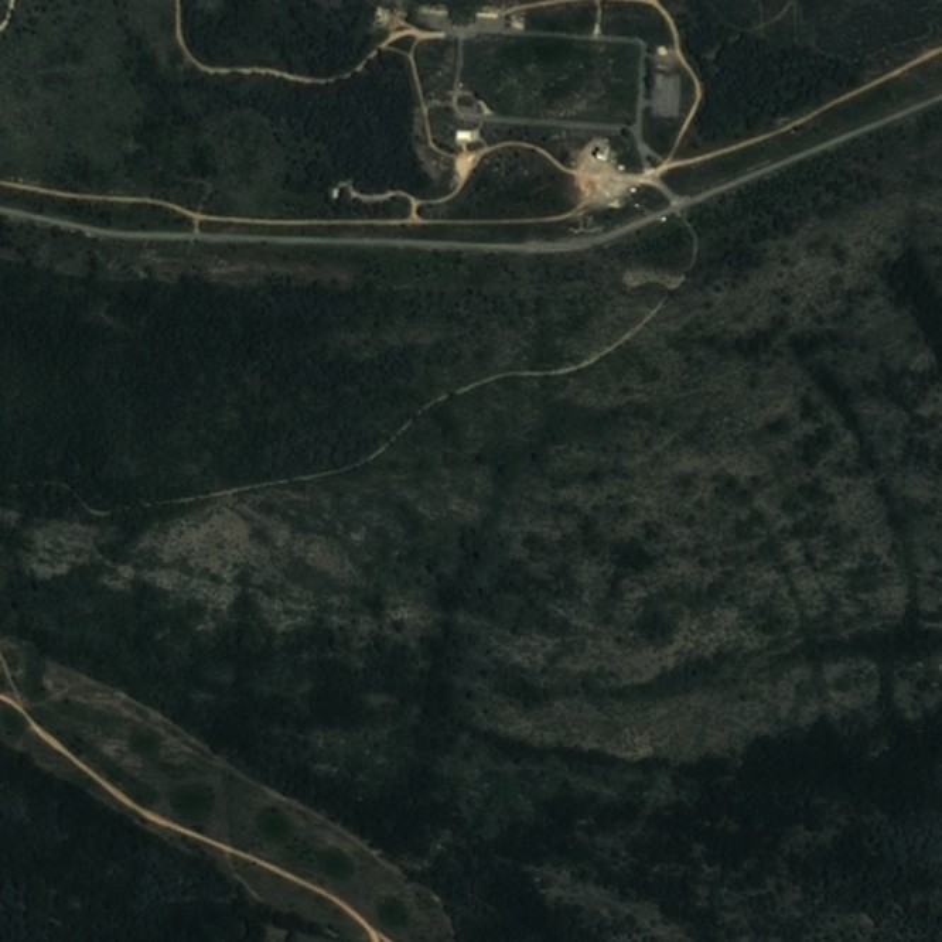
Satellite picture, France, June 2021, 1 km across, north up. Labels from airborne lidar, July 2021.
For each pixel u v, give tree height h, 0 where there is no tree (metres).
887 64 0
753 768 12
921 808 11
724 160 0
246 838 0
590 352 0
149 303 9
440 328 0
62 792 11
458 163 0
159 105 8
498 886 13
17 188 0
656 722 0
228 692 9
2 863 12
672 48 0
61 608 6
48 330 10
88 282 8
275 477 7
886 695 7
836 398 10
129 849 7
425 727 7
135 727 0
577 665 0
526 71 0
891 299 6
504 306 7
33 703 0
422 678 7
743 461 0
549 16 0
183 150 0
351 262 0
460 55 0
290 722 8
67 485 7
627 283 0
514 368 0
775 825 10
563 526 0
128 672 5
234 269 0
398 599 0
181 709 6
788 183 8
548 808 9
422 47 0
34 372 6
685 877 8
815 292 0
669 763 7
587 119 0
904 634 13
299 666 8
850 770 13
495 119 0
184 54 0
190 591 0
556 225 0
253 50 0
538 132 0
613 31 0
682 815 10
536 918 10
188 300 9
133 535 8
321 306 14
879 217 0
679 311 0
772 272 0
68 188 6
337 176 11
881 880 10
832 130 0
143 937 16
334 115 7
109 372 6
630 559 8
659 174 0
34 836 9
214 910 15
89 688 0
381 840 12
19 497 7
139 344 6
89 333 8
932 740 13
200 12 6
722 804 9
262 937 15
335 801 10
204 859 6
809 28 0
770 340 7
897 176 0
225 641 10
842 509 0
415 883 8
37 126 0
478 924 11
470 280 0
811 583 0
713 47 9
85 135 0
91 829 13
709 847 8
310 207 0
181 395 10
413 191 7
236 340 8
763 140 0
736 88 8
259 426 8
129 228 0
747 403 0
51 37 0
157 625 7
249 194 0
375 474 0
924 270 8
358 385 10
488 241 0
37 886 13
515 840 11
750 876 8
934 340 10
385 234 0
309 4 7
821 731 15
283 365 12
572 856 7
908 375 5
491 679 6
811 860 8
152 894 13
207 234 0
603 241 0
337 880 0
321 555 0
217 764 0
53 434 8
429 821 8
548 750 7
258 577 0
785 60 9
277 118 6
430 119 0
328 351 9
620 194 0
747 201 6
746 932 7
